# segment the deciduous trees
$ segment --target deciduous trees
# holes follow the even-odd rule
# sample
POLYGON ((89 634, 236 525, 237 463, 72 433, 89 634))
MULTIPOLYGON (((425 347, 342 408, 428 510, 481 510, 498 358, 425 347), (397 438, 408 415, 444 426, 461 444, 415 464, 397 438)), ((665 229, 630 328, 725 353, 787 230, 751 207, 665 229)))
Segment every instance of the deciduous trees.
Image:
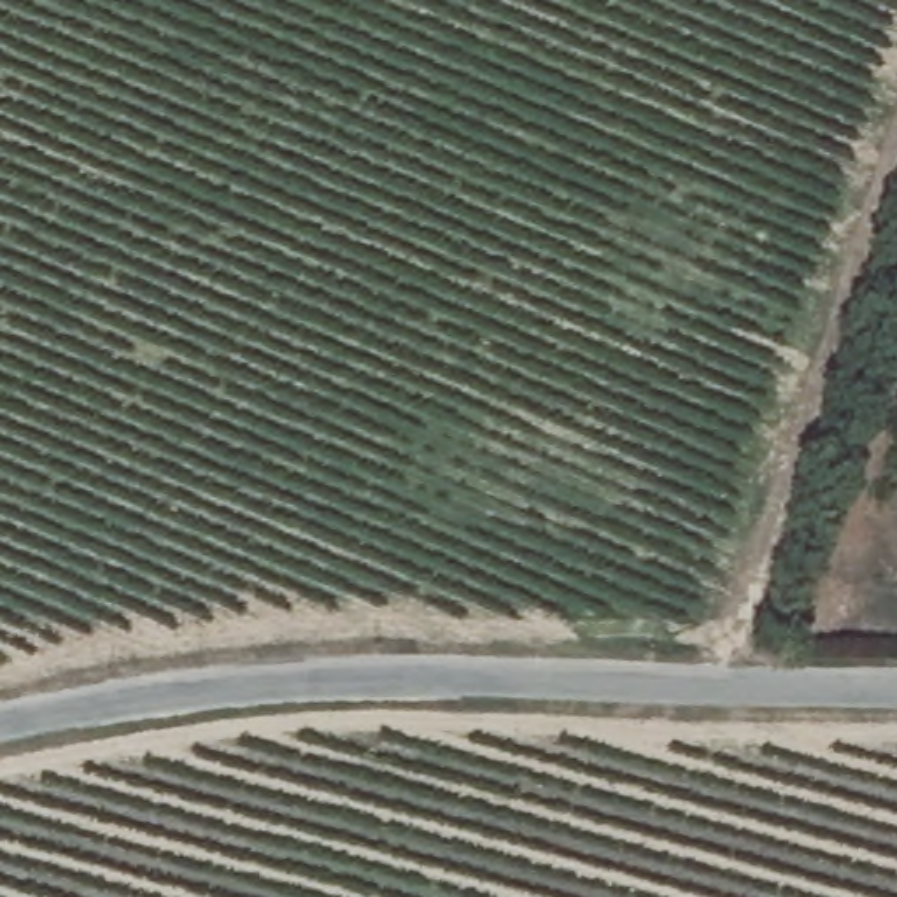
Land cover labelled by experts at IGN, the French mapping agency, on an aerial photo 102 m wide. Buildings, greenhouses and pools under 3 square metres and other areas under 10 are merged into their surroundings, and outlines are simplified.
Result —
POLYGON ((701 648, 676 641, 687 624, 652 613, 634 620, 603 620, 596 610, 585 610, 571 624, 575 638, 592 659, 697 662, 701 648))
POLYGON ((841 305, 841 340, 823 368, 823 406, 816 417, 823 441, 806 441, 799 434, 785 533, 771 557, 764 599, 753 610, 750 641, 753 648, 771 655, 771 666, 823 666, 816 659, 816 645, 830 641, 827 631, 813 631, 816 585, 827 578, 830 550, 841 536, 848 508, 858 494, 886 501, 897 491, 897 168, 883 179, 879 207, 872 214, 869 256, 841 305))

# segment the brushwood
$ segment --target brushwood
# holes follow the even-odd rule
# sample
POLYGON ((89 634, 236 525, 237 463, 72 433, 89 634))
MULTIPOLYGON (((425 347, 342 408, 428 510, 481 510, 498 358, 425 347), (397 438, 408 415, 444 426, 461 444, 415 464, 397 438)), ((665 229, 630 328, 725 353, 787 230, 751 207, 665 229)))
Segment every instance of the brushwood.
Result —
POLYGON ((816 659, 823 666, 897 666, 897 631, 827 631, 830 641, 816 645, 816 659))

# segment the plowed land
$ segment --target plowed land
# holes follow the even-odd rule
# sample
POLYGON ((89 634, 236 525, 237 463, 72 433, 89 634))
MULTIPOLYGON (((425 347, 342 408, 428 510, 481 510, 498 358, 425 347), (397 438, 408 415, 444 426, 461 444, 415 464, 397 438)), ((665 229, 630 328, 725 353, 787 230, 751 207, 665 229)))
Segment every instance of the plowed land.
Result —
POLYGON ((0 757, 0 781, 21 781, 42 771, 77 778, 84 771, 84 760, 105 760, 119 767, 130 757, 154 753, 179 760, 193 743, 217 746, 221 739, 235 736, 263 736, 280 743, 287 732, 298 729, 354 736, 375 729, 399 729, 410 736, 438 739, 456 750, 466 746, 470 732, 477 729, 512 736, 522 743, 540 743, 547 736, 571 732, 655 760, 669 750, 673 739, 715 746, 725 753, 736 753, 746 743, 774 743, 813 757, 827 757, 827 750, 837 739, 876 750, 890 750, 897 743, 897 722, 634 722, 508 711, 298 711, 154 729, 0 757))
POLYGON ((32 655, 0 641, 0 687, 35 680, 56 669, 109 662, 119 655, 172 655, 196 648, 301 638, 575 638, 571 624, 543 610, 526 610, 519 617, 501 617, 491 610, 480 610, 473 617, 449 617, 406 596, 396 596, 385 606, 350 596, 336 610, 326 610, 308 599, 294 610, 277 610, 256 599, 252 592, 242 592, 245 613, 231 613, 217 603, 210 610, 210 620, 200 620, 179 610, 175 627, 133 613, 126 631, 112 624, 98 624, 88 634, 63 627, 60 645, 49 645, 46 652, 32 655))

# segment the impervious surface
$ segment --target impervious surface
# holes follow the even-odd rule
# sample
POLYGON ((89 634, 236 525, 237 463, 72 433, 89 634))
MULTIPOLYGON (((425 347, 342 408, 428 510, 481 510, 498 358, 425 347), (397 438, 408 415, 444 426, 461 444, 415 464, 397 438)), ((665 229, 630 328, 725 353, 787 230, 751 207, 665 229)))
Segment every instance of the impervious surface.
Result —
POLYGON ((897 708, 897 666, 823 666, 771 666, 736 669, 732 659, 715 655, 715 648, 701 648, 697 662, 592 659, 308 655, 294 662, 133 673, 105 683, 0 701, 0 743, 56 729, 88 729, 284 701, 536 697, 718 708, 897 708))

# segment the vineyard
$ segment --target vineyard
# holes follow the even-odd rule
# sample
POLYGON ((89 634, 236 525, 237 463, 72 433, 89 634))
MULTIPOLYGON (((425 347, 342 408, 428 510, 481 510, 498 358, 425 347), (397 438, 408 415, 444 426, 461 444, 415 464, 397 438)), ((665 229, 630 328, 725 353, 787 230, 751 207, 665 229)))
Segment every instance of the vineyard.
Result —
POLYGON ((837 739, 827 750, 827 757, 813 757, 774 743, 746 743, 736 753, 725 753, 715 746, 673 739, 669 750, 655 760, 571 732, 547 736, 540 743, 522 743, 512 736, 477 729, 470 732, 466 746, 456 750, 438 739, 410 736, 399 729, 375 729, 354 736, 298 729, 287 732, 280 743, 263 736, 235 736, 221 739, 217 746, 193 743, 179 760, 154 753, 130 757, 119 767, 105 760, 84 760, 84 771, 77 778, 42 771, 21 781, 0 781, 0 897, 897 897, 897 743, 890 750, 876 750, 837 739))
POLYGON ((210 620, 210 610, 217 603, 231 613, 245 613, 242 592, 252 592, 256 599, 277 610, 294 610, 308 599, 326 610, 336 610, 350 596, 385 606, 396 596, 406 596, 449 617, 473 617, 480 610, 491 610, 501 617, 519 617, 526 610, 543 610, 571 624, 585 610, 596 610, 603 620, 634 620, 652 613, 687 624, 697 627, 725 613, 732 578, 715 564, 715 547, 722 540, 750 540, 767 505, 767 487, 757 477, 757 463, 767 456, 760 438, 760 417, 778 403, 778 375, 788 371, 788 361, 778 354, 785 340, 795 333, 806 277, 827 277, 841 266, 837 252, 830 252, 823 242, 830 224, 841 217, 841 186, 848 179, 841 168, 855 158, 851 147, 865 123, 865 105, 876 98, 872 70, 883 63, 883 49, 890 46, 886 32, 897 14, 897 0, 0 0, 0 641, 32 655, 46 652, 49 645, 60 645, 63 627, 88 634, 98 624, 112 624, 126 631, 133 613, 175 627, 179 610, 200 620, 210 620))

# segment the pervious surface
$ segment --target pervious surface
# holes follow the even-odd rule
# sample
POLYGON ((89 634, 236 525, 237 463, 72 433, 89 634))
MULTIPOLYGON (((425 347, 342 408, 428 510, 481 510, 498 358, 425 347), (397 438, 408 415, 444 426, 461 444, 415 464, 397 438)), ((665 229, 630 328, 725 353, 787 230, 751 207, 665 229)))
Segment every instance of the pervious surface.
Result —
POLYGON ((778 354, 788 361, 788 371, 778 375, 778 403, 760 417, 760 438, 767 456, 757 463, 757 477, 767 487, 767 505, 750 540, 722 540, 715 547, 715 564, 732 578, 725 613, 697 627, 687 624, 676 641, 701 648, 715 648, 715 655, 732 659, 736 669, 771 666, 771 655, 753 648, 750 641, 753 610, 764 599, 771 557, 785 533, 799 434, 806 441, 823 441, 816 417, 823 406, 823 368, 841 340, 841 305, 869 256, 872 214, 879 207, 883 179, 897 168, 897 14, 886 32, 890 46, 883 49, 883 63, 872 70, 876 98, 865 105, 865 123, 851 147, 855 158, 841 168, 848 179, 841 186, 841 217, 830 224, 823 242, 830 252, 837 252, 841 266, 827 277, 806 277, 795 333, 785 340, 778 354))

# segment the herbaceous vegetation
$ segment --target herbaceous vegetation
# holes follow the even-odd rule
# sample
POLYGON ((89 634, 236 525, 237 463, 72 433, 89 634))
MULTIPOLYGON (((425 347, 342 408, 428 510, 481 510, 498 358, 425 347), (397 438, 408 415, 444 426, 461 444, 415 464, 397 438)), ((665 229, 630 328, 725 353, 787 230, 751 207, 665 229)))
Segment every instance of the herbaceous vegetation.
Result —
POLYGON ((119 655, 109 662, 56 669, 35 680, 0 687, 0 701, 105 683, 133 673, 294 662, 308 655, 592 659, 575 638, 301 638, 196 648, 172 655, 119 655))
POLYGON ((634 722, 897 722, 897 708, 718 708, 536 697, 284 701, 88 729, 56 729, 0 743, 0 757, 154 729, 298 711, 508 711, 634 722))
POLYGON ((897 631, 897 491, 886 501, 858 494, 848 508, 841 536, 830 550, 827 578, 816 585, 813 631, 827 631, 897 631))

